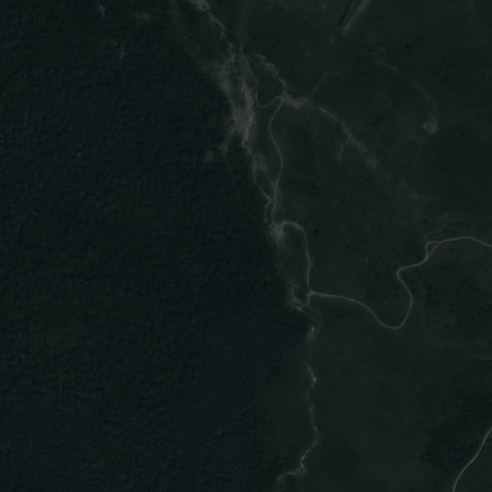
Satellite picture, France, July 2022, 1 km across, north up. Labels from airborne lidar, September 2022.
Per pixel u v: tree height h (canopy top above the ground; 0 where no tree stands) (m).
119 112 30
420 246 0
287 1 0
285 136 0
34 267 14
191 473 10
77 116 32
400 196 0
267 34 0
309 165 0
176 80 22
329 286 0
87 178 30
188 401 23
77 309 13
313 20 0
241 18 0
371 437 0
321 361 0
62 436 22
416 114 0
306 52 0
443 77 0
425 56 0
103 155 32
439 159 0
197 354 26
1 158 21
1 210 27
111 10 14
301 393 0
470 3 0
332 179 0
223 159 9
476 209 0
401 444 0
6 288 27
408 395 0
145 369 29
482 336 0
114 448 23
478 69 0
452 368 0
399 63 0
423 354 0
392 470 0
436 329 0
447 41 0
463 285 6
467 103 0
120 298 28
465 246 0
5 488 16
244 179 17
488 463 0
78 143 31
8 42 31
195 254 9
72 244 15
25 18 18
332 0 0
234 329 22
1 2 9
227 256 19
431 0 0
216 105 12
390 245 0
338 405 0
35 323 15
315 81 0
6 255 27
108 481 13
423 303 0
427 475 0
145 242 16
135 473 9
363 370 0
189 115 23
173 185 26
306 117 0
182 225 27
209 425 23
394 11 0
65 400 16
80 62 21
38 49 10
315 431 0
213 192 10
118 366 28
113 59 26
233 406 24
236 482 26
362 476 0
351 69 0
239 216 8
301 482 0
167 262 13
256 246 9
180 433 19
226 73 0
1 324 28
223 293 24
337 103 0
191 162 26
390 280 8
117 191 25
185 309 20
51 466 16
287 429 0
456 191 0
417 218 0
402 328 0
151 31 12
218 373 24
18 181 26
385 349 0
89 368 23
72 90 27
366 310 0
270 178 0
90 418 18
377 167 0
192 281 21
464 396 7
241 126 0
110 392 29
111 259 23
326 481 0
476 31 0
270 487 10
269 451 0
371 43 0
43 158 30
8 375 22
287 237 0
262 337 23
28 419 20
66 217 23
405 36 0
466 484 0
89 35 24
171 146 8
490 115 0
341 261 0
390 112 0
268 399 0
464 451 10
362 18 0
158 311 27
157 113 9
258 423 9
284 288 9
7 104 20
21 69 24
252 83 0
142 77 22
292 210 0
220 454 27
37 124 27
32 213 27
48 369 13
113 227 17
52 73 23
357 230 0
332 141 0
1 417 20
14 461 8
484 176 0
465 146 0
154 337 13
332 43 0
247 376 28
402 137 0
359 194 0
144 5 17
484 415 9
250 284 13
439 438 7
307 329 7
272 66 0
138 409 21
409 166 0
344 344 0
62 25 15
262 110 0
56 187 24
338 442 0
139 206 31
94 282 27
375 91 0
